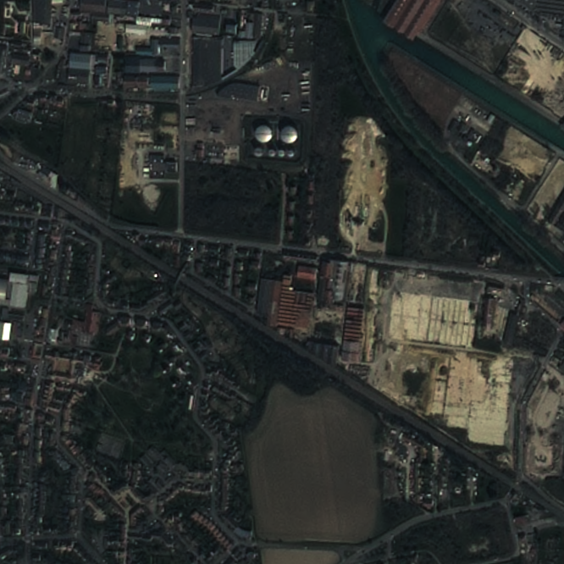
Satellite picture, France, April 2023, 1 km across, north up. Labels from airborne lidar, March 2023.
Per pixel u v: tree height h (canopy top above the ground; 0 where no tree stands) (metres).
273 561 0
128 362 0
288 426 0
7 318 0
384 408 0
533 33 0
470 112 0
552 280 0
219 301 0
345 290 0
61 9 0
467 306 0
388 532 0
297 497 0
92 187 0
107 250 0
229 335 0
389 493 0
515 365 0
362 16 0
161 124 0
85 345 0
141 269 0
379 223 0
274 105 0
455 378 0
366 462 0
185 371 0
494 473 0
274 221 12
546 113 0
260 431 0
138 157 0
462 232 0
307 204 5
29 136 0
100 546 0
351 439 0
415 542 8
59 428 0
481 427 0
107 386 0
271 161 0
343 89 0
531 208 0
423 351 0
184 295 0
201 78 0
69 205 0
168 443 0
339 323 0
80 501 0
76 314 0
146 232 0
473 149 0
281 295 0
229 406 0
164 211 0
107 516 0
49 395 0
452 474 5
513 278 0
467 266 0
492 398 0
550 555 0
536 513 0
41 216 0
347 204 0
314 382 14
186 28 0
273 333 0
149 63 0
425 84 0
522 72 0
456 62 0
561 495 0
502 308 0
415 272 0
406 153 10
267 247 0
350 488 0
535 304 0
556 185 0
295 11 0
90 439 0
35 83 0
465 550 0
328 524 0
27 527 0
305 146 0
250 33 0
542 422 0
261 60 0
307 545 0
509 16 0
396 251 0
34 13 0
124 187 0
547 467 0
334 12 10
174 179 0
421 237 0
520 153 0
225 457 0
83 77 0
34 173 0
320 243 0
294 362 11
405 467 0
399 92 22
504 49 0
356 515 0
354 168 0
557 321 0
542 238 21
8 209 0
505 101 0
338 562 0
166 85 0
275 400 0
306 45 0
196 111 0
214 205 15
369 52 0
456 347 0
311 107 0
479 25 0
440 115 0
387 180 0
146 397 0
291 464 0
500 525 0
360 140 0
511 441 0
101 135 0
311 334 0
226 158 0
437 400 0
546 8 0
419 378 0
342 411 0
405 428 12
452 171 0
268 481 0
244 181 6
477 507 0
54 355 0
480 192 0
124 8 0
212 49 0
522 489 0
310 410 0
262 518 0
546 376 0
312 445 0
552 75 0
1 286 0
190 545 0
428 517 0
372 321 0
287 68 0
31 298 0
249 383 0
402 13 0
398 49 0
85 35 0
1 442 12
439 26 0
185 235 0
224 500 0
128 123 0
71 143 0
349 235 0
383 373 0
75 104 0
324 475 0
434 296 0
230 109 0
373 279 0
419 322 0
